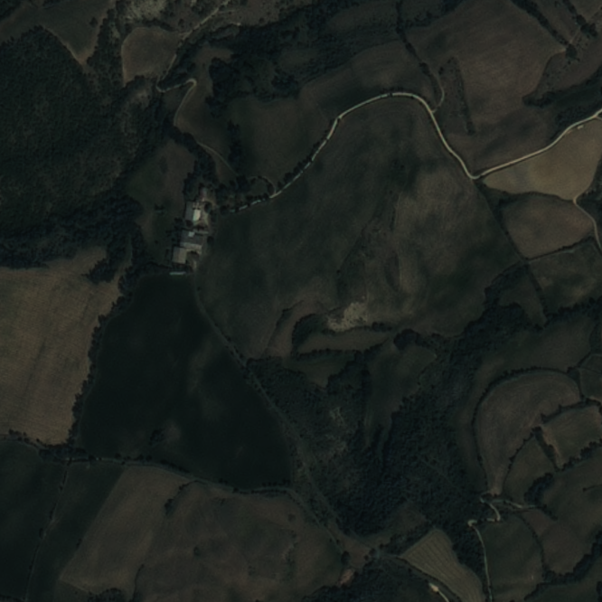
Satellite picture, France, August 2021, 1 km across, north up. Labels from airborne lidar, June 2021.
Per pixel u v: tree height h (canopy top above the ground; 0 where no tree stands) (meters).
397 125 0
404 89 8
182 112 0
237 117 0
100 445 0
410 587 0
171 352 0
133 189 0
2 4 10
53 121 10
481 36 0
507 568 0
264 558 0
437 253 0
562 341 0
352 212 0
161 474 0
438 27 0
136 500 0
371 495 13
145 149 10
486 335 10
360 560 0
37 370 0
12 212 9
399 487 9
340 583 0
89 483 0
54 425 0
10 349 0
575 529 0
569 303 0
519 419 0
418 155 0
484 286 0
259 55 18
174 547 0
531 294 0
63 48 10
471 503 10
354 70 0
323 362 0
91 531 0
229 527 0
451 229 0
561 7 0
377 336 0
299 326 11
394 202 0
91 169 6
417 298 0
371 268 0
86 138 6
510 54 0
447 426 9
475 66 0
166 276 0
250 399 0
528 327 9
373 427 0
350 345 0
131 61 0
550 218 0
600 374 0
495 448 0
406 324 0
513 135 0
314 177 0
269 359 7
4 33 0
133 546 0
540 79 0
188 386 0
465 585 0
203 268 0
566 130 0
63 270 0
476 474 0
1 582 0
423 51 0
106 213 8
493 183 0
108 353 0
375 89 0
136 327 0
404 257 0
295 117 0
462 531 6
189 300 0
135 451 0
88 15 0
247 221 0
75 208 12
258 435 0
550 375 0
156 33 0
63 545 0
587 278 0
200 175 8
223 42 11
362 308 0
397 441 15
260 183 0
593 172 0
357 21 0
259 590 0
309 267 0
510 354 0
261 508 0
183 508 0
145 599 0
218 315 0
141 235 13
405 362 0
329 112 0
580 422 0
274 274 0
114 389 0
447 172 0
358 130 0
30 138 8
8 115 7
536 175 0
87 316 0
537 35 0
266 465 0
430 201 0
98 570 0
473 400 0
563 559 0
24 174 8
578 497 0
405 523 0
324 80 0
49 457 13
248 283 0
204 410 0
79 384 0
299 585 0
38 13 0
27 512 0
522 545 0
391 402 0
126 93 8
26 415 0
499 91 0
